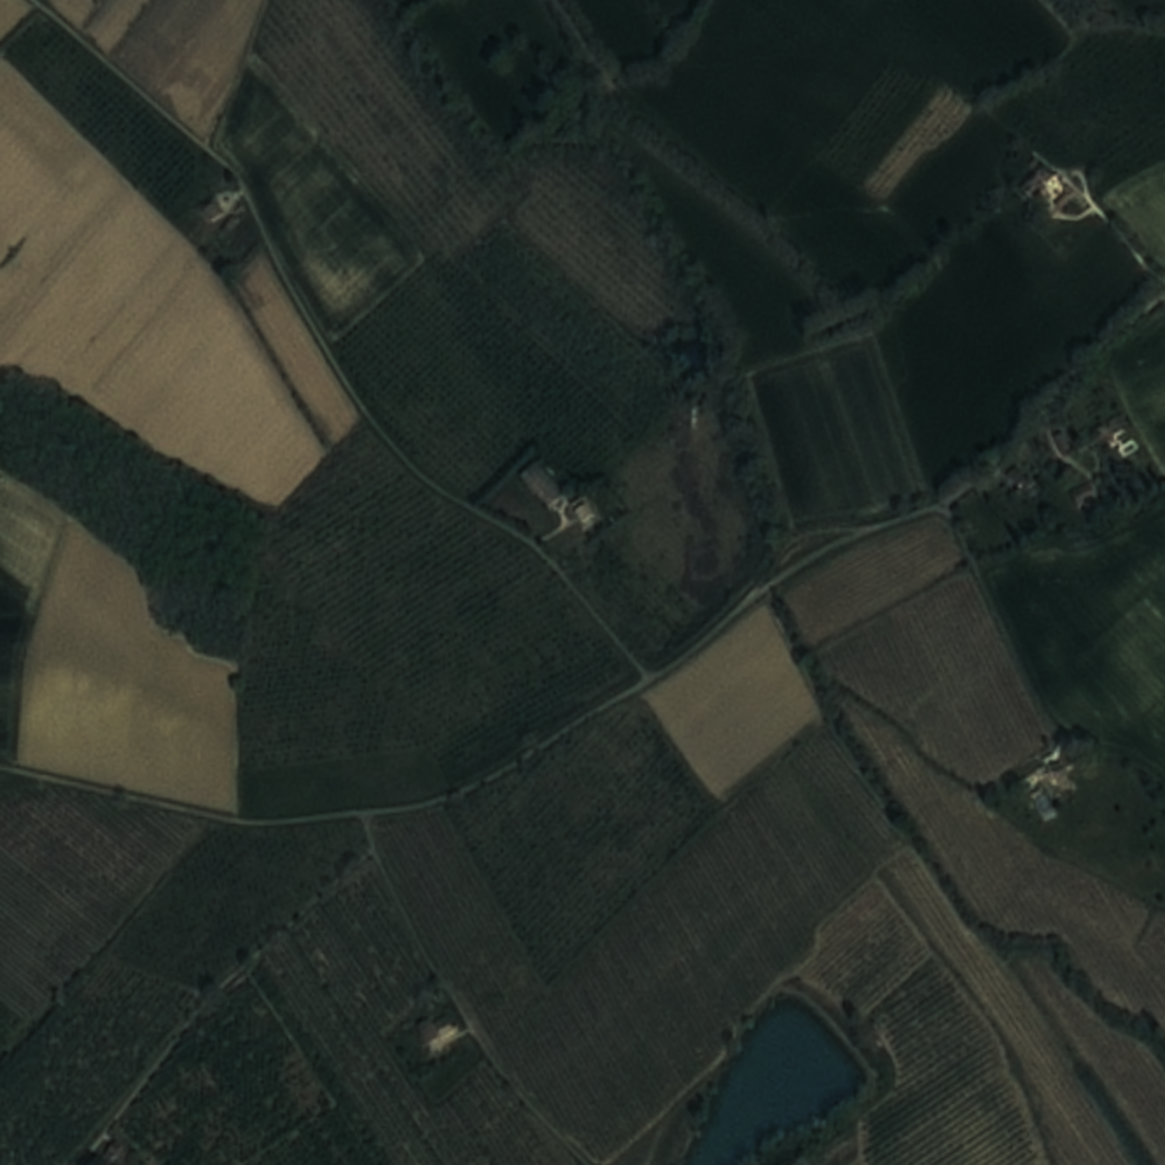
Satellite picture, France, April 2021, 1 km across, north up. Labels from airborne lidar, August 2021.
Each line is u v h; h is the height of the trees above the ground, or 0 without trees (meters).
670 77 11
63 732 0
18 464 16
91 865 6
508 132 0
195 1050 7
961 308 0
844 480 0
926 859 9
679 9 0
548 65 11
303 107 0
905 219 0
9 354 0
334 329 0
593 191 6
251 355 0
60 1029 5
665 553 0
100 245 0
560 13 29
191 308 0
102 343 0
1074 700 0
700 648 0
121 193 0
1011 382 0
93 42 0
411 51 18
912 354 0
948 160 0
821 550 0
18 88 0
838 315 27
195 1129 6
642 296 6
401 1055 7
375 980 7
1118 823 0
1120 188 0
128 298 0
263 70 0
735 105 0
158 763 0
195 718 0
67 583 0
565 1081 5
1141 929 0
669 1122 0
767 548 6
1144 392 0
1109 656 0
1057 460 10
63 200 0
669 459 0
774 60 0
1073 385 15
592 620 0
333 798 0
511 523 15
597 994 5
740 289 0
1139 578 0
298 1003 5
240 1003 7
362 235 0
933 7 0
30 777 0
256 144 0
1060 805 9
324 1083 8
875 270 0
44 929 6
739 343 19
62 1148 6
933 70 0
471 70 0
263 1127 5
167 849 6
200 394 0
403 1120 5
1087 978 14
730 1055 8
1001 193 6
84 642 0
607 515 0
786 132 0
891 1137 6
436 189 6
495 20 0
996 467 8
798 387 0
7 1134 6
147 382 0
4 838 7
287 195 0
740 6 0
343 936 7
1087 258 0
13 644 0
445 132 7
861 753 13
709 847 5
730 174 0
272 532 16
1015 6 0
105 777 0
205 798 0
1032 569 0
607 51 25
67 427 22
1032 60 0
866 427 0
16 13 0
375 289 0
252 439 0
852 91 0
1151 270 15
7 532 0
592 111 24
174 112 0
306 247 0
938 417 0
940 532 0
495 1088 6
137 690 0
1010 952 10
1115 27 17
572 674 6
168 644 0
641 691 0
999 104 14
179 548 23
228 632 16
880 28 0
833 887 6
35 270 0
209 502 22
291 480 0
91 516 19
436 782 0
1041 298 0
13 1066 6
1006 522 0
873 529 0
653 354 15
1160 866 0
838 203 0
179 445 0
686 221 0
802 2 0
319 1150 6
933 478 0
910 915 0
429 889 6
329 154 0
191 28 0
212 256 10
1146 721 0
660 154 29
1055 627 0
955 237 20
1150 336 0
